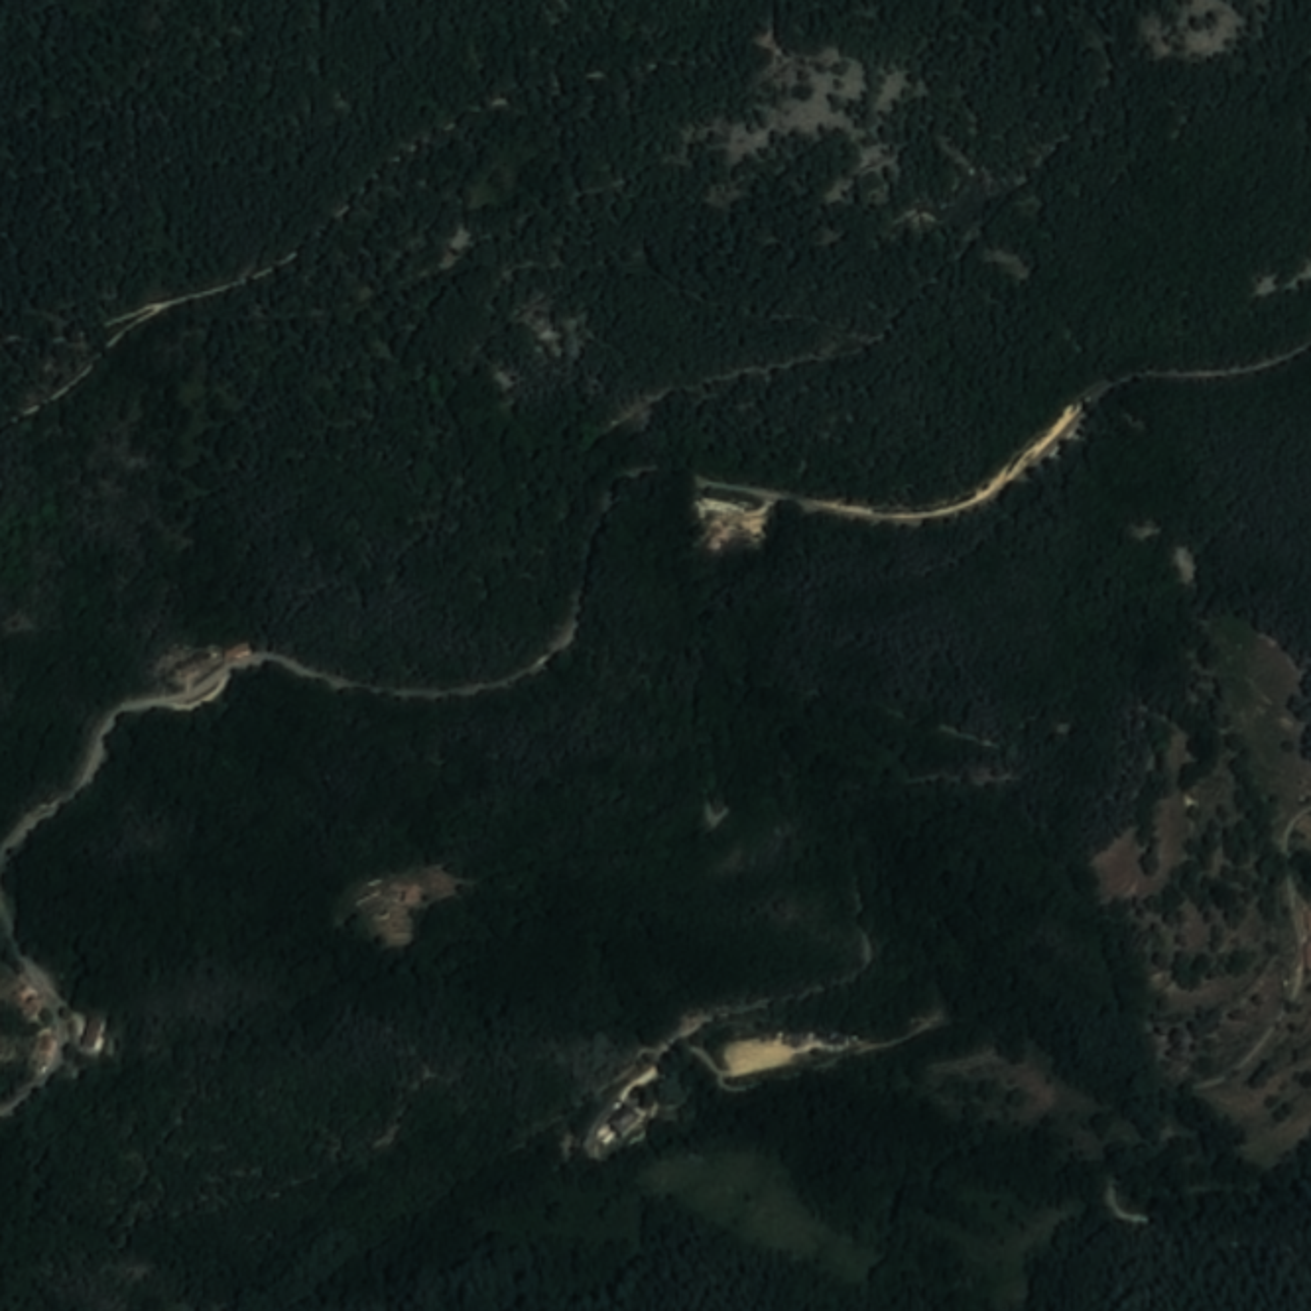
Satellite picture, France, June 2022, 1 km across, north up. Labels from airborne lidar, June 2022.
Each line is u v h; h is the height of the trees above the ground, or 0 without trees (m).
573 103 10
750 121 12
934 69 17
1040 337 19
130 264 16
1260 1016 0
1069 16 15
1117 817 20
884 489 12
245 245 17
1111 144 18
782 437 12
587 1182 17
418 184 21
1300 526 14
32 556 8
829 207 24
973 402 12
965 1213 21
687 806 12
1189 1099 15
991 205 15
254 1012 12
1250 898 14
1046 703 16
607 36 15
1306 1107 0
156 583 13
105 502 8
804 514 16
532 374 20
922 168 19
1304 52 20
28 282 21
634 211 16
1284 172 18
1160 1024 15
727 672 18
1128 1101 15
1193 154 13
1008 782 9
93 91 9
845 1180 12
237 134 19
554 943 19
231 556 23
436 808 20
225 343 14
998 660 15
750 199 14
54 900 13
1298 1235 19
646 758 10
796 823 7
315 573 18
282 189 22
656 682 9
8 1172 31
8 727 13
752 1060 0
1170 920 13
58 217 14
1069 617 21
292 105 13
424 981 21
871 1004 17
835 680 15
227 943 10
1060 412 18
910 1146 25
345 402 14
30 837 11
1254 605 20
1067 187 18
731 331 18
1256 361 13
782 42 16
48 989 0
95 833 17
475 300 18
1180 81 20
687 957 12
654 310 17
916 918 14
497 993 14
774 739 7
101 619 19
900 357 18
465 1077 9
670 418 18
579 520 18
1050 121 17
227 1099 8
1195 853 11
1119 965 15
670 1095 24
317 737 20
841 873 11
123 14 10
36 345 8
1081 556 19
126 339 9
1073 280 18
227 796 9
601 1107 13
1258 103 18
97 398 6
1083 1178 18
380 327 15
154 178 17
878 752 8
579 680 14
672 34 13
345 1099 10
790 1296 23
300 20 21
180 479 14
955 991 20
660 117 17
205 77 10
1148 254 16
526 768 15
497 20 14
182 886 23
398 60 19
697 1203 0
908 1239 14
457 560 17
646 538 21
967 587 18
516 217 19
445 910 12
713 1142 17
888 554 16
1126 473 22
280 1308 35
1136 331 12
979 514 17
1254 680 0
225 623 16
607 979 10
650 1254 10
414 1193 8
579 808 7
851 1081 13
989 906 17
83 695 20
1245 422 16
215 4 7
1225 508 14
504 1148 13
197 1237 19
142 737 25
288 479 18
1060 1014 27
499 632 15
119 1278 8
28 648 18
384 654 13
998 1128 22
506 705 20
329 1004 16
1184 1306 16
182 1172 11
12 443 18
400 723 20
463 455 13
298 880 17
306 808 22
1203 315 15
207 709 13
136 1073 14
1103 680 17
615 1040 11
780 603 17
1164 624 21
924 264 23
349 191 19
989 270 20
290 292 12
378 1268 20
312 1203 17
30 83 12
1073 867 14
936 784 12
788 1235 0
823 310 16
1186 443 17
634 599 23
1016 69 14
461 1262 19
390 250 8
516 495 25
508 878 10
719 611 15
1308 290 16
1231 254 11
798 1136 15
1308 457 14
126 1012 10
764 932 7
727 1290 17
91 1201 11
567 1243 10
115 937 21
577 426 20
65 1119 9
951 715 17
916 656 22
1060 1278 36
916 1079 17
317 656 15
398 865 15
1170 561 14
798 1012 12
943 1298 10
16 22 17
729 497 11
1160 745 18
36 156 19
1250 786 14
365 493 16
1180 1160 14
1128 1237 21
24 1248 9
